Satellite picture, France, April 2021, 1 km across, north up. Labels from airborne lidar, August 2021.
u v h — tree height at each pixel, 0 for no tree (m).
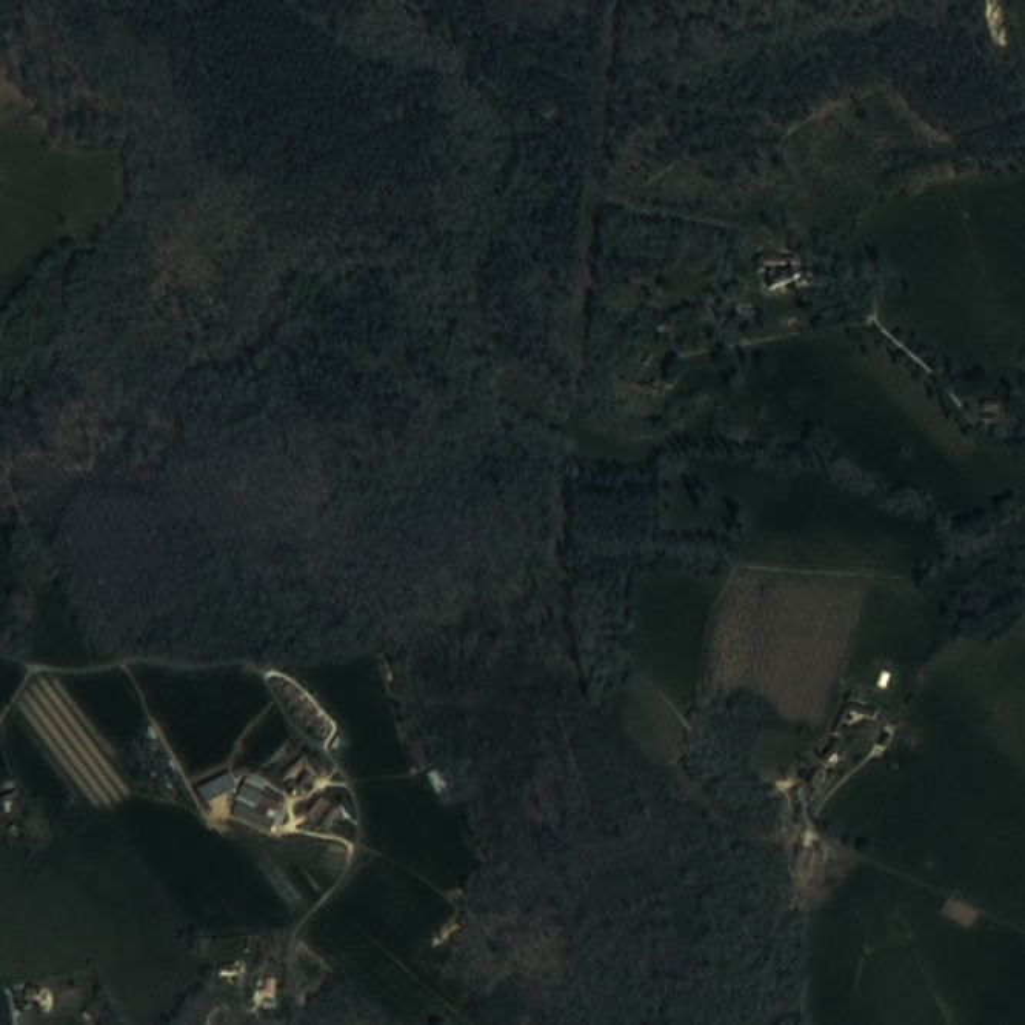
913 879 0
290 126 27
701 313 19
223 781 0
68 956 0
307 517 22
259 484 19
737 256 16
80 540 20
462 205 21
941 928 0
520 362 16
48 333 15
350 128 25
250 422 23
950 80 22
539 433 23
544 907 15
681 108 8
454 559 21
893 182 26
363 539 28
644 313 18
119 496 18
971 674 0
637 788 13
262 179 16
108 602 18
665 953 18
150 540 22
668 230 21
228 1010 18
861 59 27
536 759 6
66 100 20
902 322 0
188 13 14
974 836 0
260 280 15
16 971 0
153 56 16
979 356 0
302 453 15
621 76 19
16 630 11
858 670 0
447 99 17
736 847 18
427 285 20
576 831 25
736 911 17
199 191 19
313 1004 14
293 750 8
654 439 10
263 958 10
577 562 26
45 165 0
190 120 20
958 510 0
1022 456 20
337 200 14
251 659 19
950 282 0
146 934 0
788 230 19
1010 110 22
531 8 18
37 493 10
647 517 29
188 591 22
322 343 14
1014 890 0
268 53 29
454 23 17
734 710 16
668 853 15
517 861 15
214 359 13
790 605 0
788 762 0
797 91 22
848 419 0
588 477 25
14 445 17
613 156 16
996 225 0
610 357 9
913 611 0
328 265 14
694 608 0
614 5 19
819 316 18
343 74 26
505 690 8
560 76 21
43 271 19
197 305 14
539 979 17
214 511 21
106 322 18
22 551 19
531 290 19
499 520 22
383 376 12
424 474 23
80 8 18
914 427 0
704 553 22
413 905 0
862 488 20
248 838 0
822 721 0
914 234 0
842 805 0
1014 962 0
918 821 0
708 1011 22
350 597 28
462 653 7
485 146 24
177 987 0
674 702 0
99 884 0
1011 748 0
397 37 16
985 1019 0
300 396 12
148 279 15
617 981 25
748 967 18
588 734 8
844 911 0
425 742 22
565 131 24
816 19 13
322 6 14
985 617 18
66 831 0
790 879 15
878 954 0
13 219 0
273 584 27
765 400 0
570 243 27
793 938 15
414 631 23
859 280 19
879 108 8
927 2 17
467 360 20
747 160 16
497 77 30
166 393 20
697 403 16
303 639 27
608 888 18
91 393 18
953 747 0
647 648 0
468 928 21
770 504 0
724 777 13
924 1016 0
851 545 0
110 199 0
